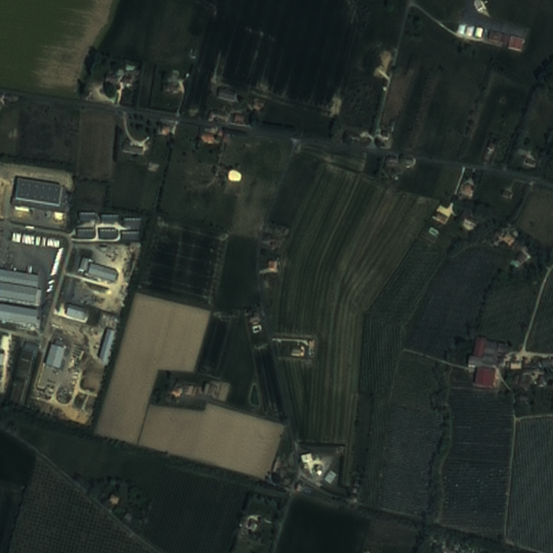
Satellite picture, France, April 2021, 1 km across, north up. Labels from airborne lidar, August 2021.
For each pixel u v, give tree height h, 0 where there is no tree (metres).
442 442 13
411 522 11
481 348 0
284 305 0
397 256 0
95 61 25
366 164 0
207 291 0
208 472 11
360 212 0
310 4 0
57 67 0
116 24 0
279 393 0
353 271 0
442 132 0
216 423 0
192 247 0
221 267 0
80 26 0
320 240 0
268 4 0
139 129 14
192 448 0
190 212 0
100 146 0
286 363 0
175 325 0
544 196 0
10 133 0
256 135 0
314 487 0
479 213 19
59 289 0
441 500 15
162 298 0
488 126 0
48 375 0
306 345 0
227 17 0
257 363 0
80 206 0
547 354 0
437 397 20
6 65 0
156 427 0
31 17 0
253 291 0
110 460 0
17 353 0
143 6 0
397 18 0
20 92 0
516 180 0
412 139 5
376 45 0
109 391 0
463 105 0
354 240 0
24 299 0
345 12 0
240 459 0
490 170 0
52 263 0
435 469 19
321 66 0
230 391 0
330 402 0
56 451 0
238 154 0
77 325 0
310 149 0
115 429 0
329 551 0
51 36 0
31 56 0
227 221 0
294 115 0
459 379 0
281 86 0
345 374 0
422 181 0
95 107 0
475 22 0
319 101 0
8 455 0
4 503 0
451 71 0
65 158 0
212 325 0
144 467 0
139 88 7
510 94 0
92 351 0
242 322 0
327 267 0
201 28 0
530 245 17
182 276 0
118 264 0
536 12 0
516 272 17
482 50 0
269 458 0
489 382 0
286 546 0
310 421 0
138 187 0
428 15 0
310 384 0
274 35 0
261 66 0
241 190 0
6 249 0
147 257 0
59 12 0
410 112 0
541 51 0
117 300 0
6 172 0
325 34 0
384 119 0
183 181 0
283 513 15
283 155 0
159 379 0
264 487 11
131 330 0
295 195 0
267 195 0
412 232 0
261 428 0
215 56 0
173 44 0
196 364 0
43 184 0
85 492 12
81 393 0
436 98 0
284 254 0
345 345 0
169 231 0
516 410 11
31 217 0
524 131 17
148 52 0
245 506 9
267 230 0
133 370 0
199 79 0
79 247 0
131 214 7
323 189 0
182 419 0
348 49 0
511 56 0
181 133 0
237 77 0
